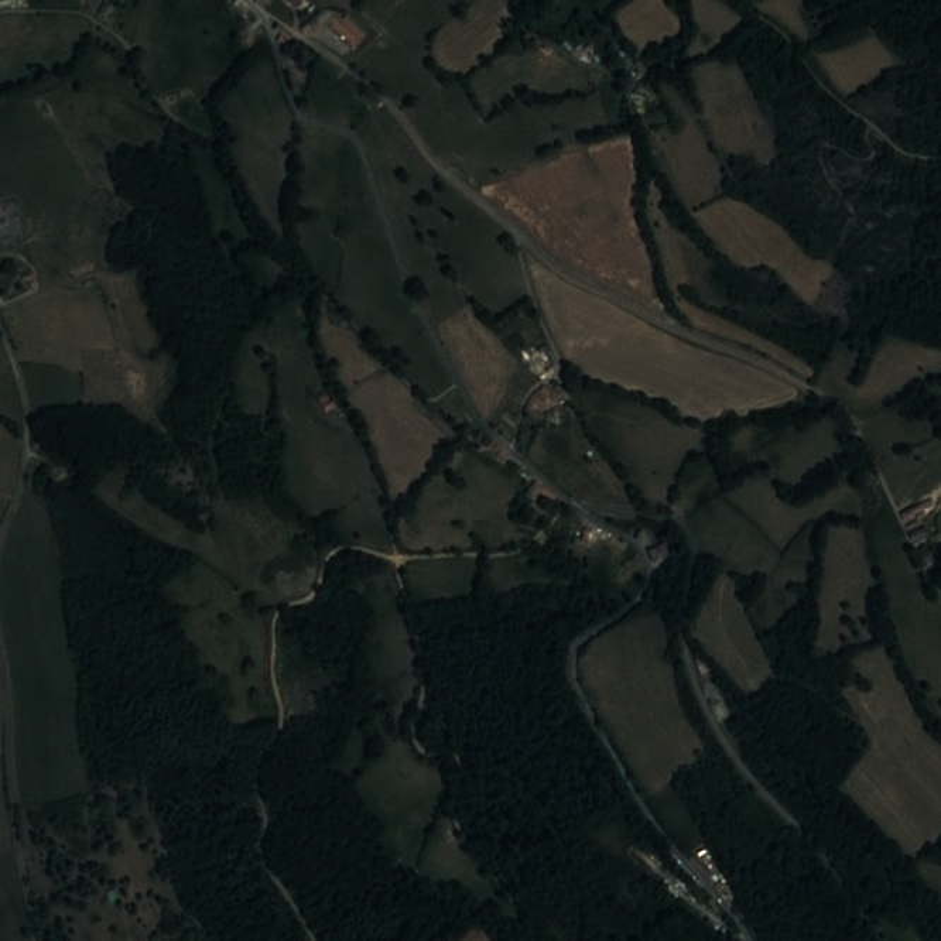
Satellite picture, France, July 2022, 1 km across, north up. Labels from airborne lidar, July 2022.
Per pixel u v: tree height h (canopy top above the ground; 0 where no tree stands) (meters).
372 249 0
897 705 0
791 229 6
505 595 10
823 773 17
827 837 20
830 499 0
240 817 9
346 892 22
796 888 15
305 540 10
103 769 11
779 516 0
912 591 0
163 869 14
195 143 16
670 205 15
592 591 10
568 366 17
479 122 0
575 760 8
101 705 12
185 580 0
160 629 20
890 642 11
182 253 18
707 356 0
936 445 0
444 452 21
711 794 6
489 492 0
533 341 0
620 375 0
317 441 0
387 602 0
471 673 29
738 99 0
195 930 11
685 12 7
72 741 0
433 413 0
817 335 10
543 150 13
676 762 0
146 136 0
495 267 0
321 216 16
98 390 0
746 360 0
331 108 0
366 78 12
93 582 14
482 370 0
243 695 0
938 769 0
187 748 23
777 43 8
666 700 0
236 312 21
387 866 30
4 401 0
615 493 0
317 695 13
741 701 18
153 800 15
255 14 0
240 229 0
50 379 0
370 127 0
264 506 0
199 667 14
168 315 12
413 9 0
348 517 0
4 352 0
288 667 0
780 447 0
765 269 10
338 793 27
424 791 0
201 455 9
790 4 0
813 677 9
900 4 15
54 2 0
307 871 25
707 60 9
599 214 0
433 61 13
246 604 9
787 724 17
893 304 15
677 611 19
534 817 6
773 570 0
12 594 0
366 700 7
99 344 0
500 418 0
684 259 0
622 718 0
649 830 13
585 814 29
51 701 0
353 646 15
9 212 0
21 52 0
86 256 0
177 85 0
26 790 0
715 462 27
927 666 0
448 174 0
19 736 0
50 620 0
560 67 0
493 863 31
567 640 14
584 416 6
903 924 9
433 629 15
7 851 0
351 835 31
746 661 0
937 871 0
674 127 7
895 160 7
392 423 0
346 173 0
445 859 0
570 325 0
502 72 0
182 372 13
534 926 10
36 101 0
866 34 0
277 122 0
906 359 0
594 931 19
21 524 0
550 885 14
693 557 14
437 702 22
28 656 0
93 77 0
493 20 0
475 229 0
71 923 10
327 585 8
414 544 0
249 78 0
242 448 17
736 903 6
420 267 0
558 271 0
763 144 0
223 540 0
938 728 15
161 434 6
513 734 31
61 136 0
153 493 11
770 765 11
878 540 0
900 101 10
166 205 14
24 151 0
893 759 0
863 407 0
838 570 0
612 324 0
